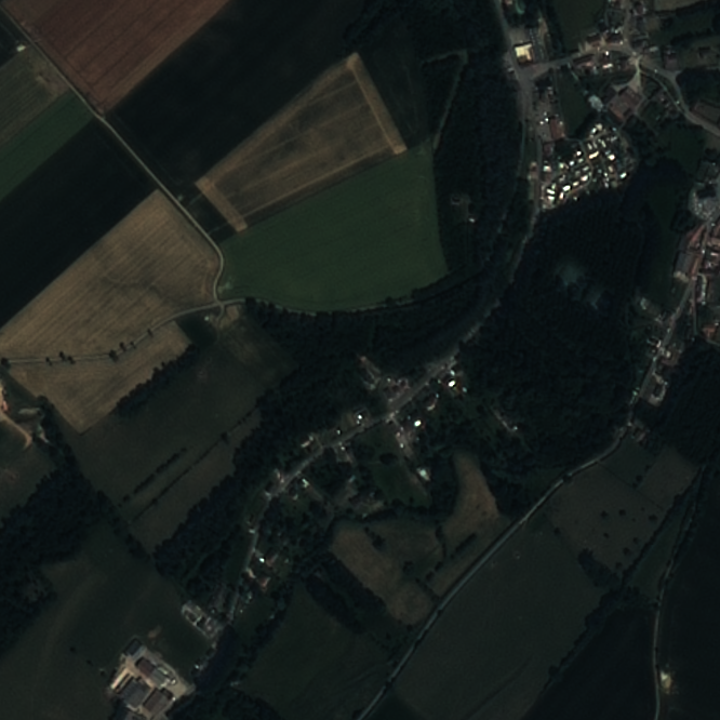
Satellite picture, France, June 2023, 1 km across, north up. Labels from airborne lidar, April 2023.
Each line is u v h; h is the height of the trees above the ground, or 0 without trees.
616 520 0
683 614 0
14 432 0
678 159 0
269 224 0
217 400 0
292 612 0
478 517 0
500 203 18
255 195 0
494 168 20
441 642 0
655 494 0
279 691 0
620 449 0
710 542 0
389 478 0
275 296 0
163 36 0
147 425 0
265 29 0
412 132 0
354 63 0
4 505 0
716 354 16
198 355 7
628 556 6
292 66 0
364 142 0
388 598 0
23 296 0
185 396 0
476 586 0
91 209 0
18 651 0
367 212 0
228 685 7
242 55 0
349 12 0
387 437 0
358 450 8
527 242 0
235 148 0
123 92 0
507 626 0
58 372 0
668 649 0
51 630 0
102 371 0
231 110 0
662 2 0
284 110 0
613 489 0
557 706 0
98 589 0
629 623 0
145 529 0
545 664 0
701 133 11
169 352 0
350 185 0
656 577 0
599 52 0
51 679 0
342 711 0
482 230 17
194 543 14
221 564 16
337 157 0
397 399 0
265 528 11
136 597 0
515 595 0
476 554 0
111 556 0
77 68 0
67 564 0
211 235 0
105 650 0
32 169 0
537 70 0
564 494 0
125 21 0
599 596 0
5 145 0
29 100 0
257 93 0
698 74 19
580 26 0
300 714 0
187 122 0
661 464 0
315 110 0
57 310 0
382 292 0
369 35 13
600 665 0
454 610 0
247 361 0
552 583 0
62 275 0
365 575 0
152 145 0
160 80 0
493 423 0
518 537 0
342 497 0
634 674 0
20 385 0
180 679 0
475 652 0
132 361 0
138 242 0
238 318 0
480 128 17
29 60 0
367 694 0
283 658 0
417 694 0
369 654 0
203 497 0
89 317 0
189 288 0
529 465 19
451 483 11
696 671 0
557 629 0
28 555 15
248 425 0
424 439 14
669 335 0
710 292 0
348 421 0
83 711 0
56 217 0
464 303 7
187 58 0
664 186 0
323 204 0
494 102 22
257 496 0
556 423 18
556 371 27
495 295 13
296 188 0
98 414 0
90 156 0
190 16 0
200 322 0
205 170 0
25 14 0
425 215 0
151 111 0
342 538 0
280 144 0
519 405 20
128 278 0
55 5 0
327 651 0
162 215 0
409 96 0
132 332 0
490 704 0
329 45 0
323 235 0
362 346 11
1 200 0
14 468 0
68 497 20
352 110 0
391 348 7
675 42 9
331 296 0
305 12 0
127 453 0
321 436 0
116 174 0
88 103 0
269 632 15
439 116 8
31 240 0
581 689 0
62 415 0
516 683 0
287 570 0
